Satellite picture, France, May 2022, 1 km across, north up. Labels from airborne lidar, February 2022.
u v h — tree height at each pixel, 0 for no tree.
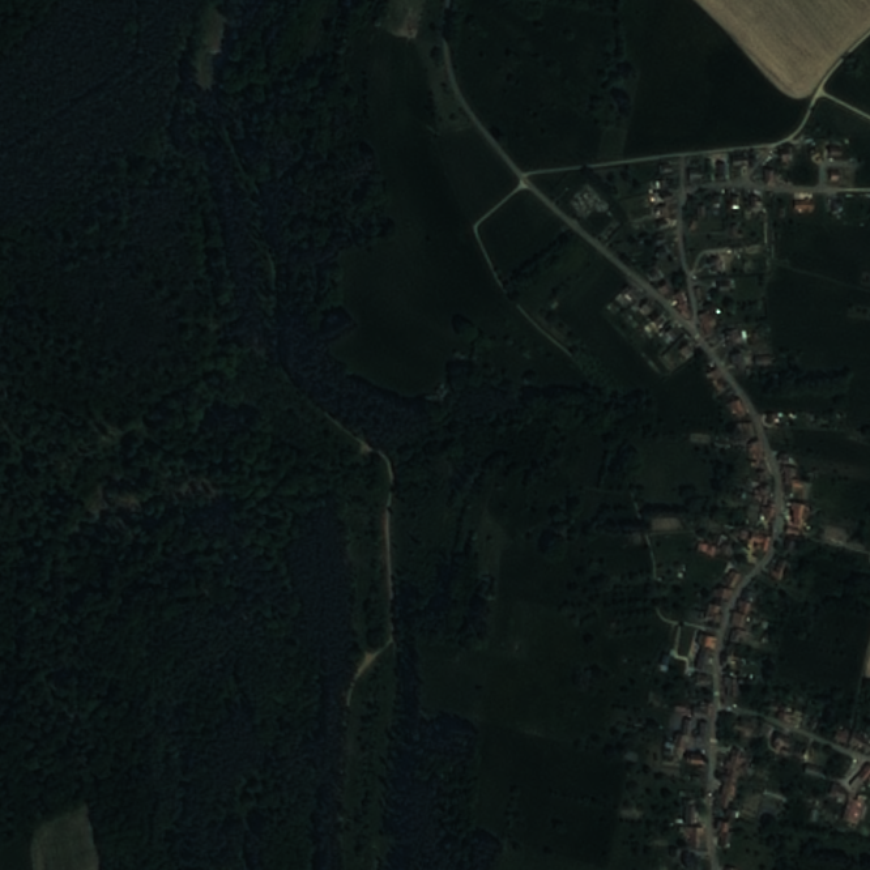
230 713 33
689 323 0
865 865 16
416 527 0
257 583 38
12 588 36
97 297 15
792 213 0
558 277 0
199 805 25
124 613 21
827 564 0
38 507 40
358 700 0
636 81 0
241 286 35
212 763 27
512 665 0
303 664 17
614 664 0
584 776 0
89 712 32
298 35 7
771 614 0
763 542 0
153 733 26
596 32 0
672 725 0
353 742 0
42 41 23
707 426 0
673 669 10
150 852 16
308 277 29
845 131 0
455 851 19
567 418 21
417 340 0
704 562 0
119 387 16
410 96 0
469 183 0
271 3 24
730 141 0
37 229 18
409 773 33
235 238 37
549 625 0
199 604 33
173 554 31
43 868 0
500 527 0
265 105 28
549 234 0
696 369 0
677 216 0
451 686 0
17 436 36
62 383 17
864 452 0
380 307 0
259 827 27
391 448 23
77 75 26
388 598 0
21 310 16
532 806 0
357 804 0
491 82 0
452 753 28
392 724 0
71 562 13
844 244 0
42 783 32
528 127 0
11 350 8
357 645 17
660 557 0
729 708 0
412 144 0
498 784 0
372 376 0
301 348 32
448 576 28
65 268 18
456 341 0
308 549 27
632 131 0
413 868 28
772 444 0
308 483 24
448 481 0
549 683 0
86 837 0
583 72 0
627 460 24
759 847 0
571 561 0
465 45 0
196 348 13
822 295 0
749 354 0
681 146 0
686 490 9
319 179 31
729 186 0
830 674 0
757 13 0
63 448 36
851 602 13
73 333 15
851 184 0
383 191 20
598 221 0
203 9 26
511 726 0
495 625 0
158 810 27
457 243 0
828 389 18
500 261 0
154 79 27
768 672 15
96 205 18
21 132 21
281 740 31
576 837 0
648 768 10
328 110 27
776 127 0
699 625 0
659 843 0
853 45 0
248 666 27
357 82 0
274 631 32
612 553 0
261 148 30
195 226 9
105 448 37
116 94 26
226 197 35
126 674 17
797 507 0
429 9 0
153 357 18
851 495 0
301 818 14
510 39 0
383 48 0
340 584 29
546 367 0
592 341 0
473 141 0
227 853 24
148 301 17
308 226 31
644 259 0
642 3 0
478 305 0
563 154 0
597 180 11
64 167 30
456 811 8
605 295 0
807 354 0
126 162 11
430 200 0
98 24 27
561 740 0
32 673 33
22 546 9
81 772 33
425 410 29
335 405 38
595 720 0
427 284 0
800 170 0
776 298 0
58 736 31
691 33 0
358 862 0
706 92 0
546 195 0
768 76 0
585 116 0
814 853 17
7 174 28
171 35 27
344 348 0
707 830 0
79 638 35
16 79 23
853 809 0
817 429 0
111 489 21
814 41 0
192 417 36
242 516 32
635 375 0
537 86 0
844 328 0
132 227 15
